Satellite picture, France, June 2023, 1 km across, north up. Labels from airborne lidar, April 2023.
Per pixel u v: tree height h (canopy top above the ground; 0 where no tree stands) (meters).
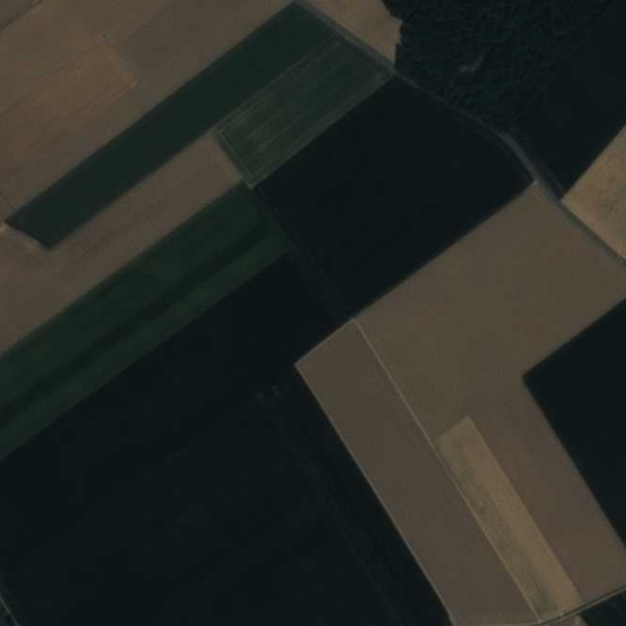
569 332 0
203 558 0
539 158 0
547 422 0
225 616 0
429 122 0
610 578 0
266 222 0
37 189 0
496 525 0
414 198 0
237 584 0
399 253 0
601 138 0
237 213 0
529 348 0
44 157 0
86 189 0
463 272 0
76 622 0
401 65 19
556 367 0
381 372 0
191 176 0
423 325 0
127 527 0
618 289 0
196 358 0
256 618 0
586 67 0
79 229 0
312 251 0
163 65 0
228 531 0
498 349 0
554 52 23
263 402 0
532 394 0
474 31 20
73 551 0
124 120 0
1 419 0
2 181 0
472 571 0
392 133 0
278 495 0
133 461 0
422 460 0
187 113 0
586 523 0
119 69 0
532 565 0
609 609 0
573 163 0
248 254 0
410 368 0
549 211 0
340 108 0
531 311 0
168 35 0
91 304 0
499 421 0
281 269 0
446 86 21
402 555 0
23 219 0
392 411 0
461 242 0
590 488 0
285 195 0
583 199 0
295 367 0
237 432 0
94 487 0
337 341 0
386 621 0
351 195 0
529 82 24
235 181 0
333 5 0
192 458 0
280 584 0
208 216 0
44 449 0
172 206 0
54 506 0
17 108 0
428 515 0
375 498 0
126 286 0
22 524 0
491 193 0
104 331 0
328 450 0
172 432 0
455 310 0
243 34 0
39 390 0
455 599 0
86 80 0
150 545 0
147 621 0
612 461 0
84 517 0
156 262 0
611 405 0
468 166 0
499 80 24
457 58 28
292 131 0
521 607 0
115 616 0
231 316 0
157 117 0
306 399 0
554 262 0
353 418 0
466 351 0
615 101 0
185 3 0
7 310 0
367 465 0
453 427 0
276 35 0
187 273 0
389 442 0
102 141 0
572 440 0
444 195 0
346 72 0
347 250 0
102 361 0
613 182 0
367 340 0
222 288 0
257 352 0
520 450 0
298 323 0
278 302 0
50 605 0
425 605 0
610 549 0
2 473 0
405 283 0
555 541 0
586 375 0
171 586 0
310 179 0
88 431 0
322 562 0
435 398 0
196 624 0
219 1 0
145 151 0
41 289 0
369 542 0
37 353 0
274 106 0
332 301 0
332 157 0
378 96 0
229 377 0
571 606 0
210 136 0
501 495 0
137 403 0
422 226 0
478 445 0
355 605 0
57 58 0
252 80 0
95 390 0
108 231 0
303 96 0
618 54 0
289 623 0
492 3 22
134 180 0
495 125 21
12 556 0
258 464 0
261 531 0
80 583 0
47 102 0
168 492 0
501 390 0
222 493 0
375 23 0
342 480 0
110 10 0
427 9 26
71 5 0
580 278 0
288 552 0
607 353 0
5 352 0
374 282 0
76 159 0
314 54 0
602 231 0
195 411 0
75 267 0
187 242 0
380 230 0
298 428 0
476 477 0
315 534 0
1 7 0
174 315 0
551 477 0
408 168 0
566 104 0
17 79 0
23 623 0
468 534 0
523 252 0
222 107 0
